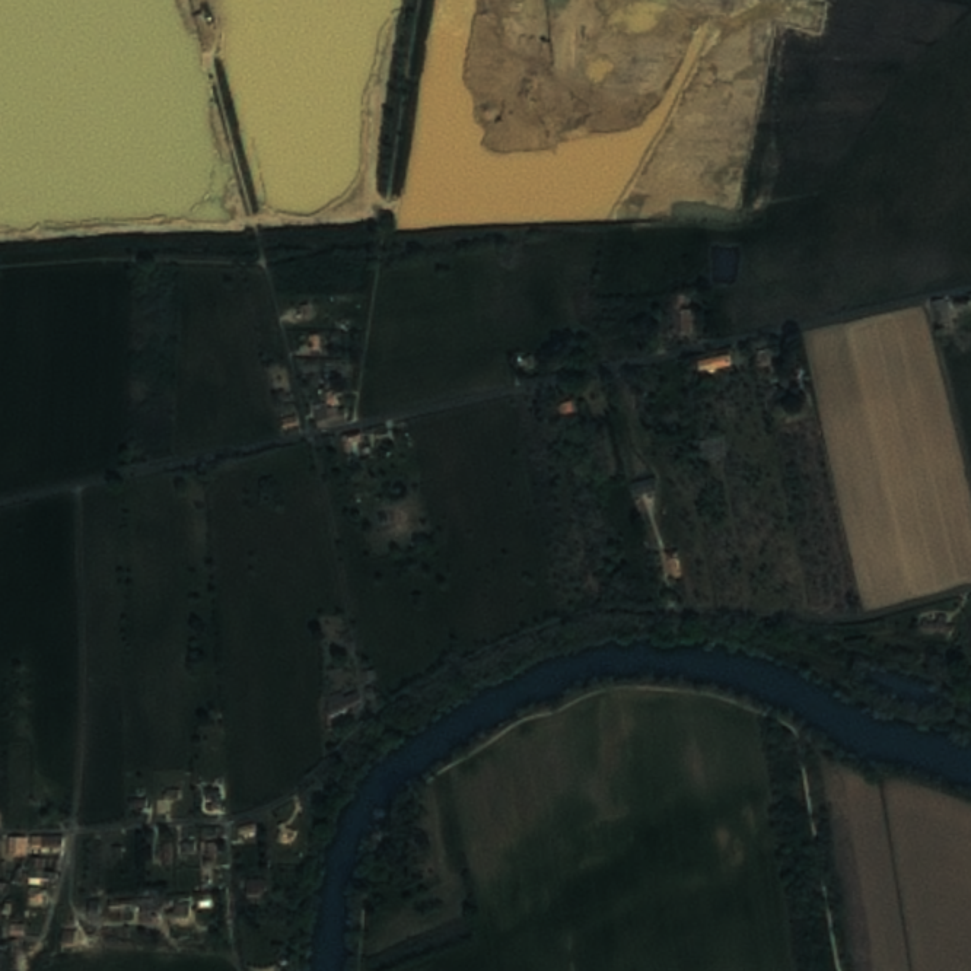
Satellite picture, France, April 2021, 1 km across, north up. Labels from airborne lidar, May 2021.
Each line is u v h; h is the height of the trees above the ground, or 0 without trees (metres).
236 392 0
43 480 0
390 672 0
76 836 0
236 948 17
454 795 0
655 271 0
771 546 9
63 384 0
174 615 0
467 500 0
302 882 9
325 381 8
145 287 9
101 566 0
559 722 0
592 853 0
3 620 0
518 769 0
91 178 0
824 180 0
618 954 0
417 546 12
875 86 0
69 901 0
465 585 0
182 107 0
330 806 27
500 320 0
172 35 0
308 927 19
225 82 0
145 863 7
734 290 0
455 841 0
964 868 0
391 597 0
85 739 0
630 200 0
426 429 0
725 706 0
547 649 11
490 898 0
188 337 0
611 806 0
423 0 0
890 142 0
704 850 0
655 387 8
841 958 6
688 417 7
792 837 11
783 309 0
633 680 7
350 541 0
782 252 0
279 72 0
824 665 0
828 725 0
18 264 0
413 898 13
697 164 0
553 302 0
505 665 18
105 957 0
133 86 0
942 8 0
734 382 12
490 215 0
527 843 0
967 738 17
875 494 0
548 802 0
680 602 6
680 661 0
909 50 0
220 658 6
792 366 16
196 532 0
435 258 8
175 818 0
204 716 11
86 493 0
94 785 0
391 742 21
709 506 10
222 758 0
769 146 0
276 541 0
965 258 0
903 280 0
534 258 0
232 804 0
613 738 0
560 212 0
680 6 0
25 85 0
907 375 0
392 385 0
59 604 0
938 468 0
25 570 0
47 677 0
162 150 0
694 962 0
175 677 0
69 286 0
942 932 0
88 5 0
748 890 0
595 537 17
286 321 0
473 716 0
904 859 0
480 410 0
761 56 0
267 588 0
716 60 0
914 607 0
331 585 0
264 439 0
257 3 0
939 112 0
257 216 0
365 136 0
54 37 0
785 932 0
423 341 0
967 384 0
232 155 0
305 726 0
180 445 0
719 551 13
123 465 7
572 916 0
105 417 0
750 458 7
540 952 0
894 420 0
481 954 0
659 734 0
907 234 0
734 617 13
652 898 0
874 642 7
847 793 0
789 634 19
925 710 16
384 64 0
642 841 0
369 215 0
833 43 0
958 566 0
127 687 0
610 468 20
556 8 0
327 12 0
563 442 9
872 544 0
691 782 0
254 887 0
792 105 0
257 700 0
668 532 0
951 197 0
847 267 0
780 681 0
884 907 0
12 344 0
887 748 0
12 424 0
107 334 0
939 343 11
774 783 7
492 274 0
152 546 0
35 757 0
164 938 14
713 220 0
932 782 9
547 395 9
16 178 0
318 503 0
